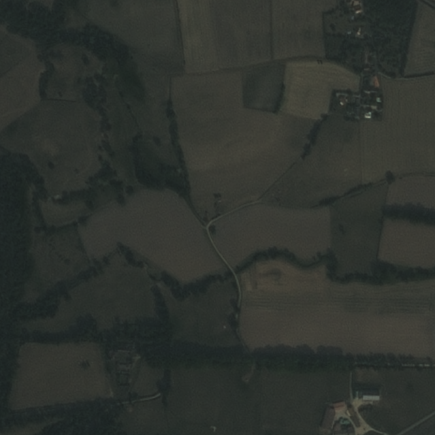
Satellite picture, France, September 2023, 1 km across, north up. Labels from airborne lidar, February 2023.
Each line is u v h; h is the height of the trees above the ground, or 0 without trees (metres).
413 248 0
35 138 0
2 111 0
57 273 0
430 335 0
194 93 0
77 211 0
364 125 0
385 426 0
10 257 22
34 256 0
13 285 18
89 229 0
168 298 0
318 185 0
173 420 0
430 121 0
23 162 19
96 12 0
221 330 0
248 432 0
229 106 0
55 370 0
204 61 0
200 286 15
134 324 0
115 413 21
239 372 0
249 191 0
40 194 16
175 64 0
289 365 32
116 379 14
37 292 0
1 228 22
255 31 0
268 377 0
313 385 0
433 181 0
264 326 0
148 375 0
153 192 0
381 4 8
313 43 0
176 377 0
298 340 0
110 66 0
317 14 0
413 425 0
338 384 0
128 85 0
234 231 0
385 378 0
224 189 0
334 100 0
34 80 0
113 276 0
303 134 0
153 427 0
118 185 14
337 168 0
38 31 6
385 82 0
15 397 14
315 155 0
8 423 15
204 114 0
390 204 0
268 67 0
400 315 0
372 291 0
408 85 0
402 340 0
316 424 0
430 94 0
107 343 10
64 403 18
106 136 18
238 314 0
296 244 0
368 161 0
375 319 0
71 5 0
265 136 0
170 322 21
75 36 25
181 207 0
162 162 0
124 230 0
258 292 0
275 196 0
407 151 0
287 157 0
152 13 0
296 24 0
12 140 0
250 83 0
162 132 0
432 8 6
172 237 0
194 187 0
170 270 0
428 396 0
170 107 14
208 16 0
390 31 14
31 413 17
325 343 0
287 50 0
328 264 0
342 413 0
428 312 0
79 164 0
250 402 0
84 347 0
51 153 0
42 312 16
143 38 0
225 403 0
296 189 0
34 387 0
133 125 0
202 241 0
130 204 0
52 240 0
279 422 0
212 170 0
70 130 0
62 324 0
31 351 0
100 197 0
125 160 0
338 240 0
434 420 0
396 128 0
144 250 0
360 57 0
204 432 0
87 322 14
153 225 0
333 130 0
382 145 0
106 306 0
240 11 0
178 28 0
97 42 23
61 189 0
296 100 0
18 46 0
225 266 0
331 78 0
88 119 0
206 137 0
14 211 16
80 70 0
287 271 0
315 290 0
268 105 0
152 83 0
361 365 16
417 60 0
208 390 0
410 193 0
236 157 0
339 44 0
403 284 0
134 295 0
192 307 0
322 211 0
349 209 0
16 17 6
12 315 13
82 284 0
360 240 0
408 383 0
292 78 0
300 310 0
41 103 0
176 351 30
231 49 0
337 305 0
